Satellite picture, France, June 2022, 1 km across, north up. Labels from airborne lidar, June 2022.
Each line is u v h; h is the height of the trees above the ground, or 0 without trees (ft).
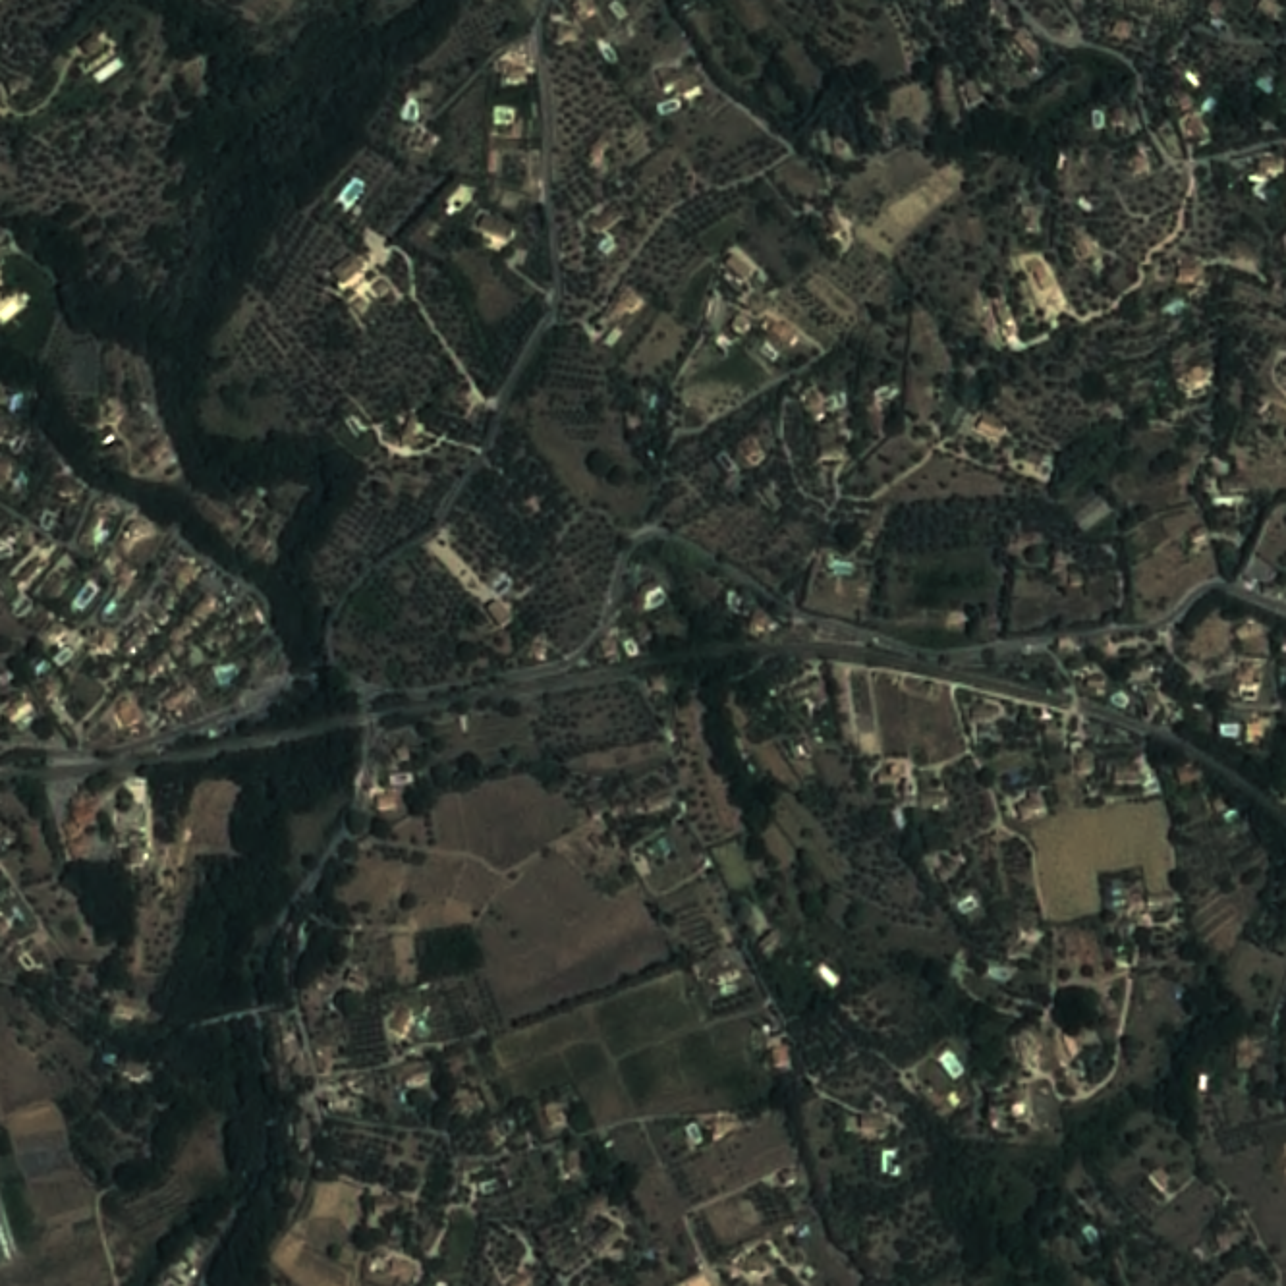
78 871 42
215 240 50
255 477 58
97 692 0
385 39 51
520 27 44
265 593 23
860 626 21
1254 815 54
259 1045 28
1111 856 0
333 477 72
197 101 55
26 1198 0
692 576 21
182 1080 29
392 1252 0
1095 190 22
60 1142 0
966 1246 46
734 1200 0
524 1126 30
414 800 52
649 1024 0
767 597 27
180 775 59
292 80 67
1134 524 55
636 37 0
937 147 64
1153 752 39
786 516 29
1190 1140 32
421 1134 22
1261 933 22
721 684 65
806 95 37
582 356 18
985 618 40
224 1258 49
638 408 52
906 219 0
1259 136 26
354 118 51
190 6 64
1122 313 29
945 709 0
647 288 25
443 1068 26
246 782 57
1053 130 19
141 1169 51
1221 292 28
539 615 20
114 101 33
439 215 19
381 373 17
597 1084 0
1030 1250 57
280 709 51
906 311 30
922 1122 28
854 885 20
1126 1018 0
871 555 19
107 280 60
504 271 25
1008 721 19
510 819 0
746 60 30
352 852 34
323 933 31
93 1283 0
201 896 39
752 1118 21
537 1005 0
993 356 54
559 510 24
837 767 0
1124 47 24
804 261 23
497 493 23
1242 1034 52
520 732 0
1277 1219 0
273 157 79
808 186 0
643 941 0
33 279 0
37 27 25
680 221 22
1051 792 20
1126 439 50
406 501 19
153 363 38
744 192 23
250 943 45
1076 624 26
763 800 58
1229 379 45
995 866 18
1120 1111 26
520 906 0
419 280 18
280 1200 38
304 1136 0
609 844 24
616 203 19
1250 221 18
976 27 24
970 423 0
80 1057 0
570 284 24
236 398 45
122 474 49
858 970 23
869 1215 25
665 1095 0
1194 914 27
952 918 25
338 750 94
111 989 39
